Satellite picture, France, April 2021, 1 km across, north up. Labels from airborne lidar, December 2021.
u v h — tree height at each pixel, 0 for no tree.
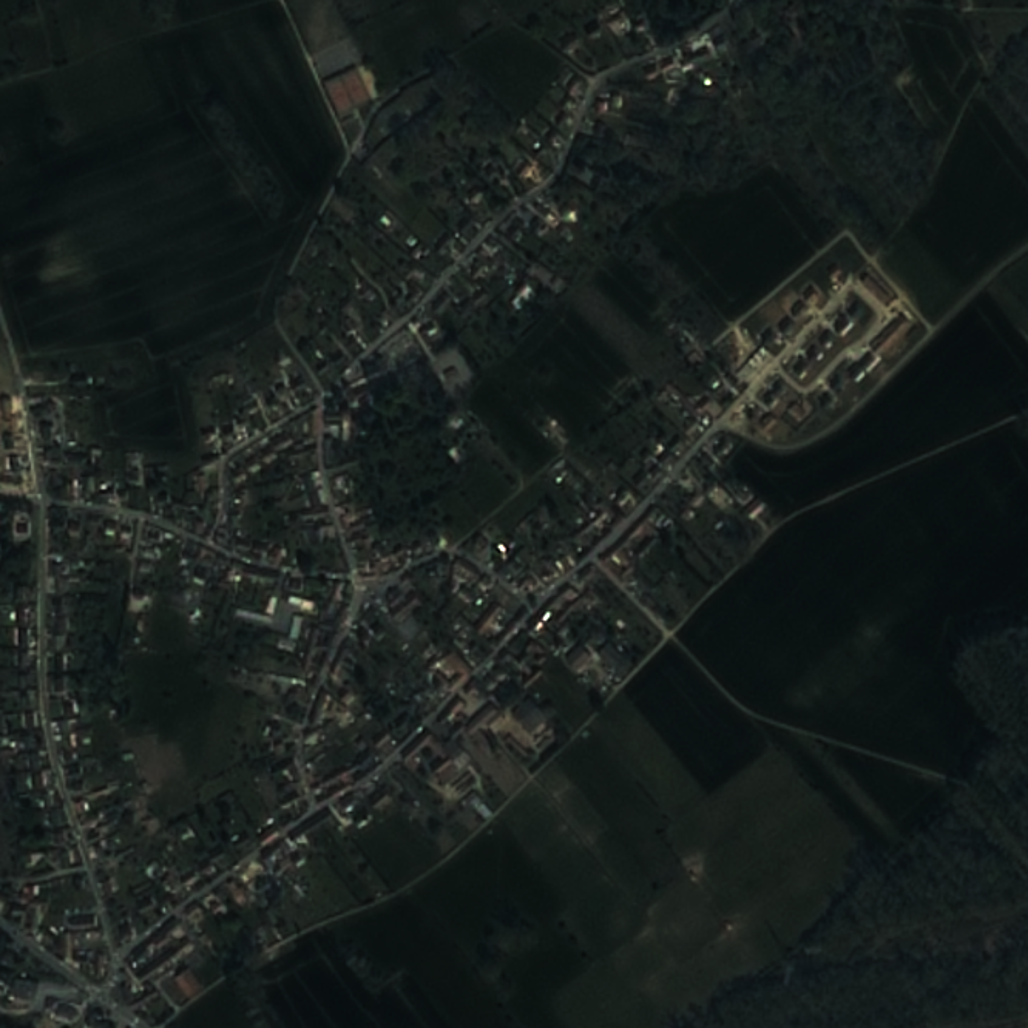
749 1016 27
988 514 0
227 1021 0
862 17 17
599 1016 0
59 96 0
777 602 0
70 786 6
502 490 0
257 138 0
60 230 0
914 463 0
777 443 0
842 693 0
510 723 0
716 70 0
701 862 0
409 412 19
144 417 0
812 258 0
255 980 17
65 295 0
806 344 0
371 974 13
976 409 0
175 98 0
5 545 17
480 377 10
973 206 0
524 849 0
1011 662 30
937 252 0
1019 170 0
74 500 0
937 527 0
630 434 0
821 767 0
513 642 0
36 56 0
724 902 0
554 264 7
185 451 0
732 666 0
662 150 32
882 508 0
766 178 0
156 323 0
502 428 0
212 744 0
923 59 0
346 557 0
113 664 14
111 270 0
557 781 0
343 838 0
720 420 0
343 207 0
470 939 0
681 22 10
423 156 19
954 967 12
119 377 12
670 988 0
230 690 0
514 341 10
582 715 0
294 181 0
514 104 0
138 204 0
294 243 0
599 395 0
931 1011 31
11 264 0
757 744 0
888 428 0
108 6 0
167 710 0
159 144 0
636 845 0
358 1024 0
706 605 0
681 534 5
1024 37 8
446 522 8
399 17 0
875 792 0
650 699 0
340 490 0
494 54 0
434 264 0
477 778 0
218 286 0
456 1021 0
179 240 0
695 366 6
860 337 0
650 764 0
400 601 0
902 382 0
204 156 0
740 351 0
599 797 0
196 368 7
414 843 0
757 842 0
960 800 19
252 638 7
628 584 0
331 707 0
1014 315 0
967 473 0
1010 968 32
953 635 0
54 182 0
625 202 8
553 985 0
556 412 0
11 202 0
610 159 11
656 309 0
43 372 0
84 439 0
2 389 0
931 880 31
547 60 0
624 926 0
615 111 0
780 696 0
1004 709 29
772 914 0
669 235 0
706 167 24
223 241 0
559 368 0
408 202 0
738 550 25
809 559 0
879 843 0
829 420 0
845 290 0
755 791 0
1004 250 0
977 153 0
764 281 0
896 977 19
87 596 6
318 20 0
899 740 0
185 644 0
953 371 0
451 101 18
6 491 0
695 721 0
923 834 6
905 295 0
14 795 15
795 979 15
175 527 0
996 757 28
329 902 0
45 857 13
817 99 23
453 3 0
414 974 0
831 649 0
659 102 11
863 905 37
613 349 0
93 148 0
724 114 18
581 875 0
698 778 0
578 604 0
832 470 0
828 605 0
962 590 0
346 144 0
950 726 0
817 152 20
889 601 0
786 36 8
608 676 0
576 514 0
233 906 6
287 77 0
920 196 23
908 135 23
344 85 0
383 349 0
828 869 0
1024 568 0
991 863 32
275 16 0
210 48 0
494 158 13
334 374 0
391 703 9
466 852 0
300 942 0
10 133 0
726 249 0
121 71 0
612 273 0
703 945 0
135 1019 0
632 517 0
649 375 0
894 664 0
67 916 0
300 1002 0
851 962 6
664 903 0
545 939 0
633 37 10
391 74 0
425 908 0
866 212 30
